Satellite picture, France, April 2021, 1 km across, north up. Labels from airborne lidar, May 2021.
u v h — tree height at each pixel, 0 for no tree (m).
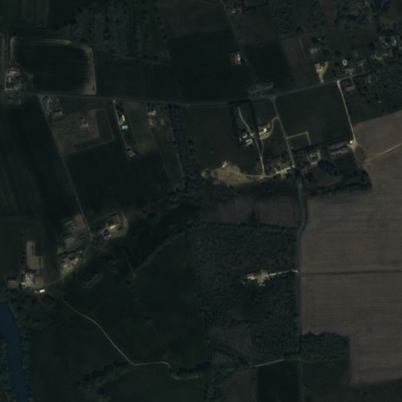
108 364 0
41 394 0
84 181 0
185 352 0
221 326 15
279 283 10
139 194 0
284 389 0
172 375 13
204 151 0
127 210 0
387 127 0
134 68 0
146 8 9
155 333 0
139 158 0
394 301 0
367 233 0
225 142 0
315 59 0
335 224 0
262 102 0
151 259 9
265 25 0
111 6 22
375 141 0
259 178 0
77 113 0
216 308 9
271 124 0
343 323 0
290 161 13
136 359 0
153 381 0
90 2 0
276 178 14
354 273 0
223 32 0
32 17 0
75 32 15
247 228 12
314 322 0
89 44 5
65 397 0
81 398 0
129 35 0
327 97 0
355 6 0
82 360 0
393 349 0
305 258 0
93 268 0
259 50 0
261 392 0
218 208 0
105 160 0
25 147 0
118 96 0
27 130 0
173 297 0
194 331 0
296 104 0
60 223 0
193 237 7
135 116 0
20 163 0
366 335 0
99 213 0
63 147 0
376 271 0
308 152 15
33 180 0
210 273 9
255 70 0
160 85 0
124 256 0
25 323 15
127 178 0
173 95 0
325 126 0
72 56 0
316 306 0
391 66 16
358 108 0
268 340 7
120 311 0
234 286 9
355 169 0
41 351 0
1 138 0
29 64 0
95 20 13
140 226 0
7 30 0
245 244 10
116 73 0
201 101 0
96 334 0
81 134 0
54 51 0
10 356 0
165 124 0
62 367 0
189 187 19
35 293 8
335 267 0
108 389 0
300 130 0
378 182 0
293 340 12
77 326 0
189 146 13
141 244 0
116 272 11
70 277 0
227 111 0
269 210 0
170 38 0
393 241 0
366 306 0
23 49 0
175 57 0
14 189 0
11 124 0
